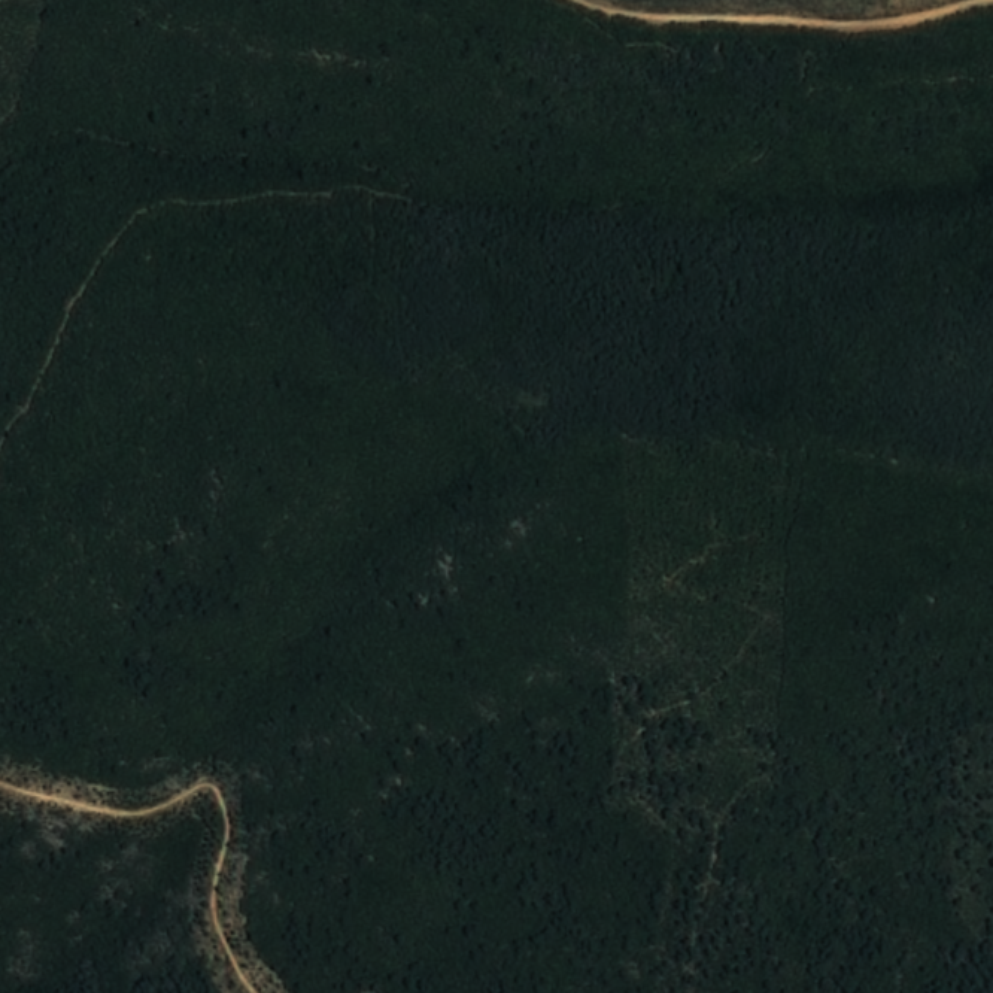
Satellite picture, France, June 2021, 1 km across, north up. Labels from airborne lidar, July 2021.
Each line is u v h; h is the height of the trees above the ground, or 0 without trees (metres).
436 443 8
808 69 8
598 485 6
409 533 6
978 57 7
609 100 8
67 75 6
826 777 6
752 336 12
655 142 6
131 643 7
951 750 14
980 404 8
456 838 7
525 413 6
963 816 15
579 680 5
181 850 9
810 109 6
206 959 8
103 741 12
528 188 6
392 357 11
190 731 6
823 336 9
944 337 7
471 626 6
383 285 10
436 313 10
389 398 8
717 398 14
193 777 6
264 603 6
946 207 8
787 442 6
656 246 15
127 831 6
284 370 6
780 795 6
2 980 8
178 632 6
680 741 12
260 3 14
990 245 9
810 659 6
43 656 6
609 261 13
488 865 7
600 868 6
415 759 6
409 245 6
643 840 6
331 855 15
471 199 6
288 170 6
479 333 9
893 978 6
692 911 17
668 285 6
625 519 6
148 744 6
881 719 6
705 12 0
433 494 10
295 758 10
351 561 10
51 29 6
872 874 7
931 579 6
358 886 5
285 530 6
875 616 13
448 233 11
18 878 6
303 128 6
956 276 9
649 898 7
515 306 8
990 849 13
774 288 10
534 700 6
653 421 13
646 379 16
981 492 8
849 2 0
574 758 11
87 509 5
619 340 8
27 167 6
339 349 6
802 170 7
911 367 10
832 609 6
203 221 7
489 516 7
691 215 9
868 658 6
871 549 6
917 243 10
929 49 9
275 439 5
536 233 7
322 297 7
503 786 6
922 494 8
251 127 6
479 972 8
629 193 7
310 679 8
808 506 8
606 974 13
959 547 8
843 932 15
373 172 7
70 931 6
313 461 7
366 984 21
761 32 6
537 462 6
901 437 9
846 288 11
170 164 6
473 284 11
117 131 6
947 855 7
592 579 7
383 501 8
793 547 7
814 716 6
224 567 8
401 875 7
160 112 5
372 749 6
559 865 6
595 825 13
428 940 6
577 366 10
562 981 6
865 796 15
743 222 16
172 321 6
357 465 7
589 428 7
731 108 6
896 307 11
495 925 6
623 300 17
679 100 6
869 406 10
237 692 9
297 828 6
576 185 6
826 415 11
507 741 6
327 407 6
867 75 7
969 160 8
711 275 13
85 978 6
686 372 16
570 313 9
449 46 5
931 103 6
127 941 9
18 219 7
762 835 11
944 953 12
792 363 10
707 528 8
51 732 12
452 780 6
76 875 6
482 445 9
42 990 13
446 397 7
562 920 14
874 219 10
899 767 17
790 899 10
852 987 18
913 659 6
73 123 6
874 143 8
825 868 15
